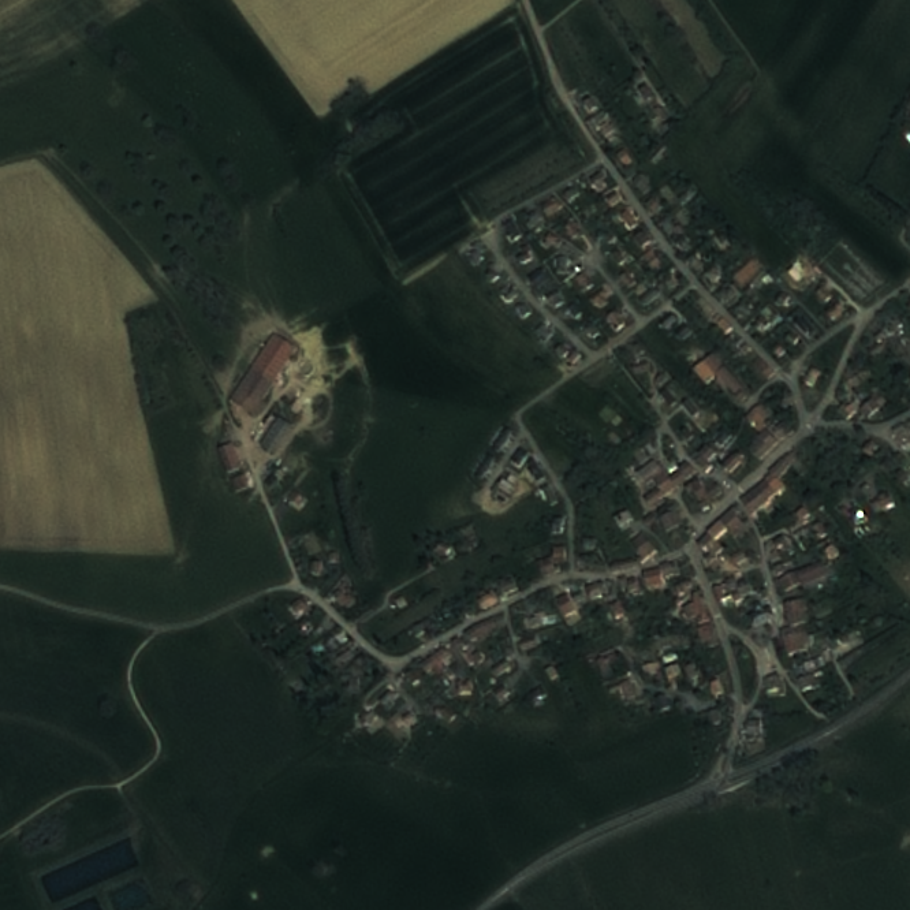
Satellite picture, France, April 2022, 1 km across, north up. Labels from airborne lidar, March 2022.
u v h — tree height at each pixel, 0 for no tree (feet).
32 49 0
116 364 0
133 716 0
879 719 0
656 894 0
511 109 0
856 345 0
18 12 0
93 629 0
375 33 0
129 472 0
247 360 0
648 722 0
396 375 0
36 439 0
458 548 31
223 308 63
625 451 21
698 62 0
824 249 31
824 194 0
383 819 0
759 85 0
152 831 0
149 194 0
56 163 0
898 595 0
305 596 0
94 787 0
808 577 0
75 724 0
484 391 0
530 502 0
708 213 44
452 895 0
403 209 0
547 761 0
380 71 0
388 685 0
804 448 0
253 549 0
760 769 0
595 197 23
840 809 0
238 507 0
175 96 0
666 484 0
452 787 0
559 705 0
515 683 0
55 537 0
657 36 0
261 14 0
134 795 0
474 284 0
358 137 47
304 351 0
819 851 0
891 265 0
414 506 0
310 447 0
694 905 0
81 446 0
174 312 0
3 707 0
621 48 0
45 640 0
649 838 0
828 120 0
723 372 0
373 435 0
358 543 97
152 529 0
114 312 0
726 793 0
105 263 0
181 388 0
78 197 0
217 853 0
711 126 0
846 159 0
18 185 0
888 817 0
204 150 0
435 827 0
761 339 22
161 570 0
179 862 0
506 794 0
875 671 0
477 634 0
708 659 0
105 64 0
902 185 0
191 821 0
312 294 0
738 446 0
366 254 0
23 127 0
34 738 0
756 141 0
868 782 0
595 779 0
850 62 0
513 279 0
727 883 0
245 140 0
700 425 0
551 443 0
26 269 0
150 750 0
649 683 0
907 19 0
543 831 0
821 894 0
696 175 0
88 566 0
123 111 0
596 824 0
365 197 0
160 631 0
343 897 0
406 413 0
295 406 0
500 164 0
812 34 0
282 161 0
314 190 0
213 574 0
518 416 0
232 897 0
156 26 0
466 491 0
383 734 0
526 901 0
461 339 0
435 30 0
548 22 0
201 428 0
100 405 0
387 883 0
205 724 0
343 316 0
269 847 0
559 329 0
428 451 0
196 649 0
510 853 0
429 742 0
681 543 0
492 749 0
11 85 0
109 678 0
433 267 0
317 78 0
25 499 0
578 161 0
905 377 64
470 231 0
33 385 0
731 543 0
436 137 0
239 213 0
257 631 0
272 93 0
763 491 0
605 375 0
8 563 0
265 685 0
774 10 0
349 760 0
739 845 0
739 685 0
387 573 0
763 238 0
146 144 0
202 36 0
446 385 0
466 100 0
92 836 0
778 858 0
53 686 0
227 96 0
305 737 0
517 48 0
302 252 0
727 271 19
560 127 0
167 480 0
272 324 0
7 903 0
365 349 0
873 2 0
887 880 0
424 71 0
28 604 0
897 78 0
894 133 20
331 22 0
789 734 0
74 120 0
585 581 0
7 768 0
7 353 0
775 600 0
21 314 0
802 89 0
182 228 54
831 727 0
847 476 21
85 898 0
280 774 0
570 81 0
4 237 0
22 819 0
